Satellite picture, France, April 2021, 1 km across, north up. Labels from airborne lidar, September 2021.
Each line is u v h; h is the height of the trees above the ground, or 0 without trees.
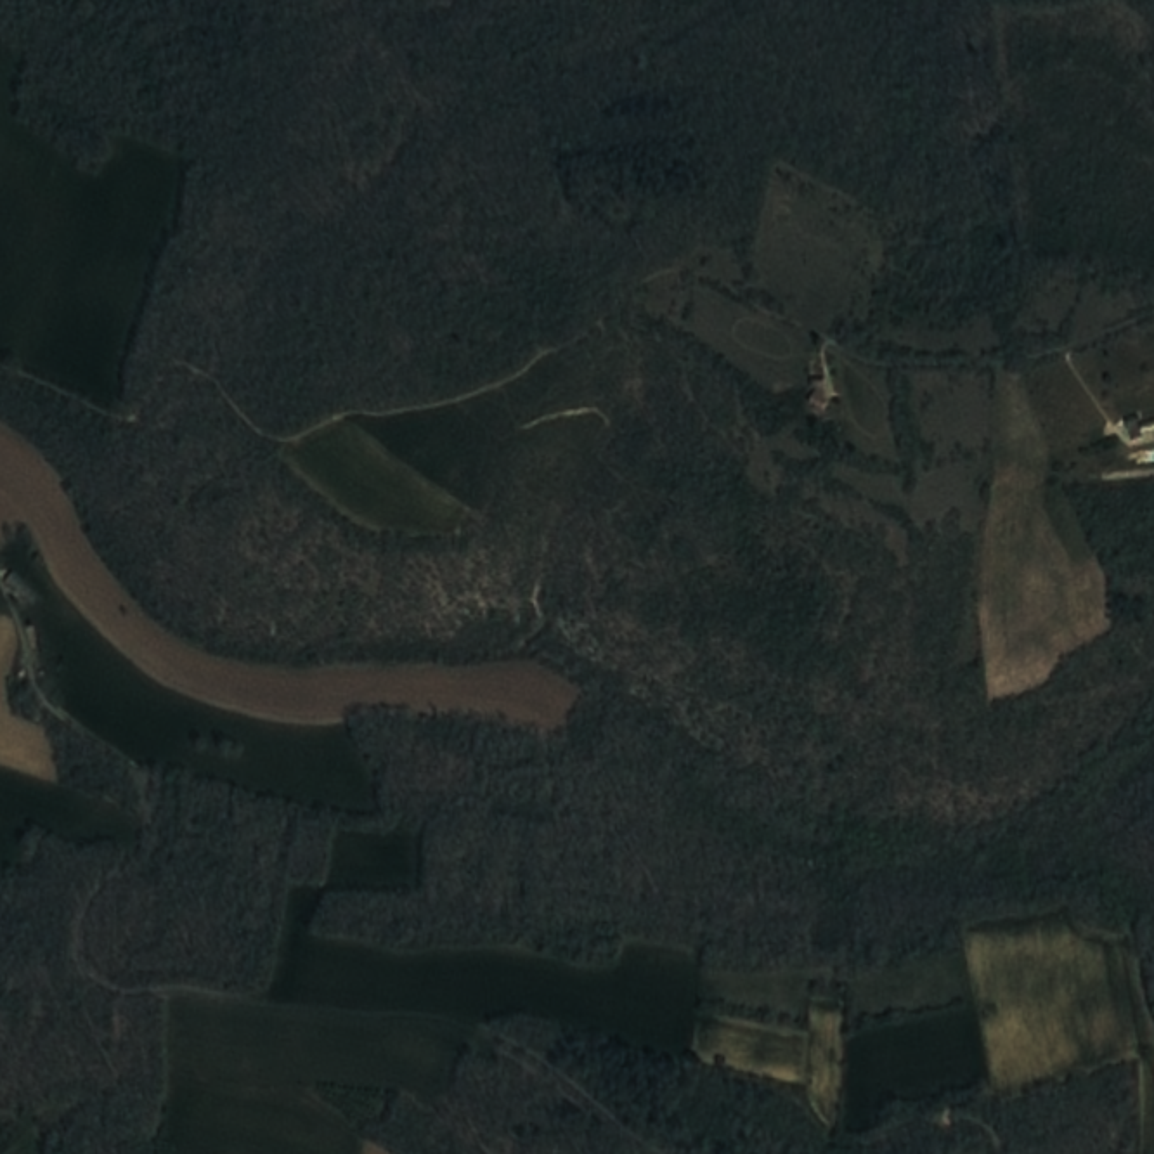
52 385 9
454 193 11
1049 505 0
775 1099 12
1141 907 13
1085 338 0
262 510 11
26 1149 0
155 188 0
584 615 9
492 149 15
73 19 9
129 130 14
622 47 11
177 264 13
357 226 13
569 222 13
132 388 16
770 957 15
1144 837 10
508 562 10
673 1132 17
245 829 9
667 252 11
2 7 14
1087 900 19
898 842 19
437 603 6
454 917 14
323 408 13
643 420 8
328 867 16
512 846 17
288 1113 0
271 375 11
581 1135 11
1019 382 0
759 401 7
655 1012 0
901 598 7
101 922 11
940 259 13
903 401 8
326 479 0
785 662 13
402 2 7
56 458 14
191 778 12
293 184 14
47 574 0
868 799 8
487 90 10
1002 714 13
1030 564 0
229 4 14
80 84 12
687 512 14
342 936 14
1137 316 7
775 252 0
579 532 7
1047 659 0
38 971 16
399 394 13
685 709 12
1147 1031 0
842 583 8
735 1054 0
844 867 17
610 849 13
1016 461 0
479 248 10
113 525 8
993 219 15
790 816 19
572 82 14
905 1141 10
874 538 13
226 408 10
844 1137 7
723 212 12
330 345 12
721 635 8
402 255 10
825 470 11
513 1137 8
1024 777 7
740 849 13
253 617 10
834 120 10
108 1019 9
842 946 13
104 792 7
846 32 16
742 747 11
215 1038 0
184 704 0
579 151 17
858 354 17
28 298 0
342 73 10
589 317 10
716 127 15
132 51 11
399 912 14
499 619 13
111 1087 14
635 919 18
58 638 0
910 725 11
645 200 15
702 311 0
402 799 9
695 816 13
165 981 10
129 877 11
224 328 9
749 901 17
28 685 12
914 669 12
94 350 0
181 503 11
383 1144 18
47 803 0
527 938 16
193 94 17
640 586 7
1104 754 16
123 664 0
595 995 0
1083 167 5
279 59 16
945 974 0
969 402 0
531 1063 13
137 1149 9
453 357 10
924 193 16
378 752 11
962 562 11
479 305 10
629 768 12
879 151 9
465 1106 12
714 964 17
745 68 15
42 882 11
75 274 0
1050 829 14
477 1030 0
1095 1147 11
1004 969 0
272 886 11
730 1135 7
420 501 0
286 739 0
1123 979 0
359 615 10
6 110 0
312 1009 0
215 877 10
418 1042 0
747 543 8
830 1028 0
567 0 10
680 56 13
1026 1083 0
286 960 0
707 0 13
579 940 12
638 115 22
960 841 19
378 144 15
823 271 0
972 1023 0
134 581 9
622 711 14
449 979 0
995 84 12
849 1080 0
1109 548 12
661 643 8
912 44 19
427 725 6
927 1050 0
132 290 0
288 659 15
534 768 12
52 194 0
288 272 13
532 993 0
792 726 12
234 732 0
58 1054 13
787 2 17
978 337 0
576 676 17
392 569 11
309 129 13
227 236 11
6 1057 9
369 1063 0
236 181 13
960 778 10
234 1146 0
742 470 9
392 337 10
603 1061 22
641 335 8
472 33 12
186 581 9
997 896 16
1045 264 13
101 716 0
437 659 13
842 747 12
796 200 0
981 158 13
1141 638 8
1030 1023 0
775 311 9
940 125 15
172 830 11
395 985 0
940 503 0
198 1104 0
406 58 13
